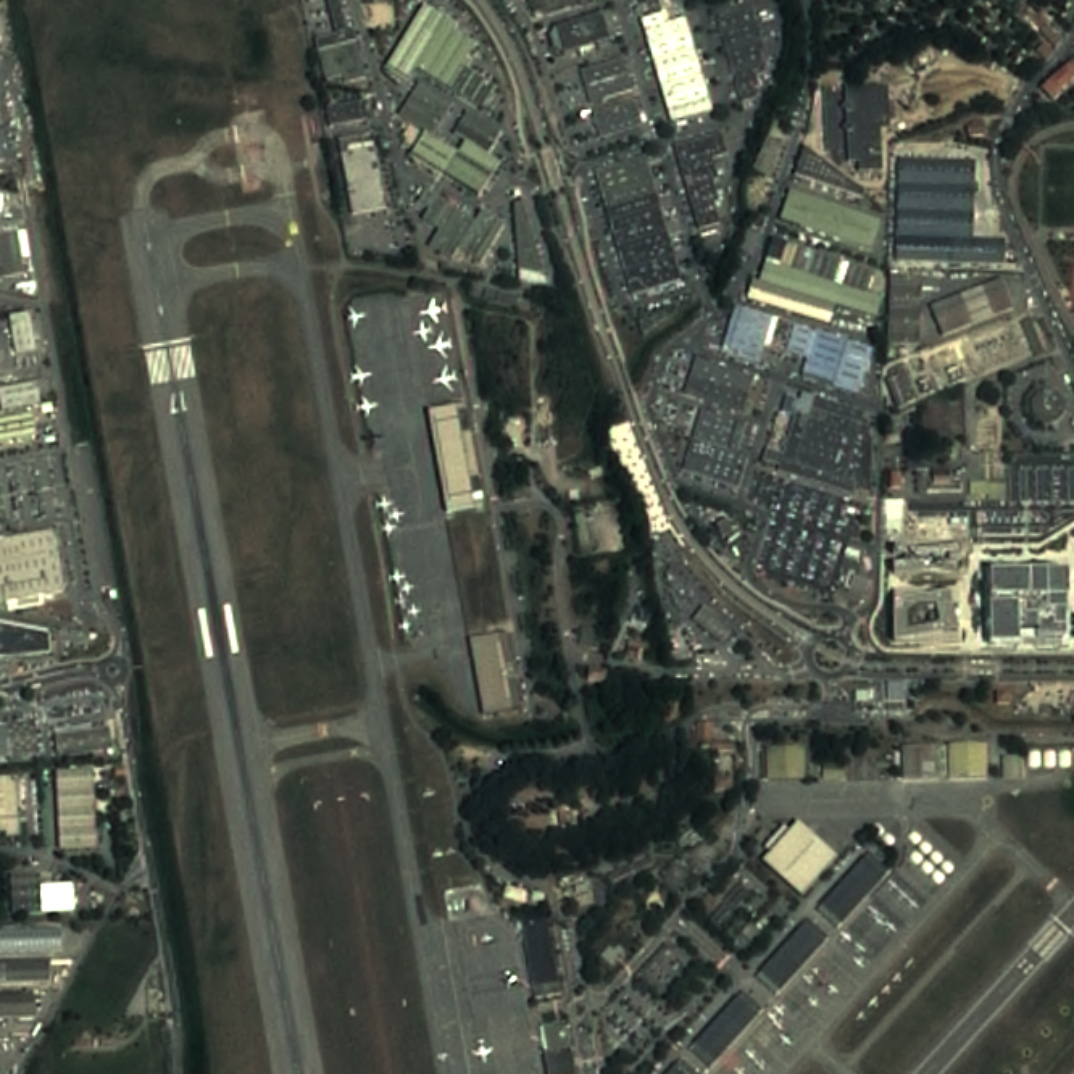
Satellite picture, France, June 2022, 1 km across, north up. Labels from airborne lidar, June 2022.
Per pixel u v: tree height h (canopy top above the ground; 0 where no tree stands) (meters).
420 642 0
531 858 16
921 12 12
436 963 0
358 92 8
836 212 0
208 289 0
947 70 0
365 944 0
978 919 0
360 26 0
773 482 0
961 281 0
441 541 0
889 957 0
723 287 7
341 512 0
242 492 0
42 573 0
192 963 0
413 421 0
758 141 14
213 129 0
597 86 0
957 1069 0
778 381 0
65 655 0
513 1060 0
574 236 0
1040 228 0
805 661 0
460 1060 0
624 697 22
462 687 0
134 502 0
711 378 0
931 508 0
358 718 0
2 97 0
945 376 0
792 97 7
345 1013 0
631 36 0
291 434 0
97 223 0
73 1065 0
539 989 0
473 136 0
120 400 0
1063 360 0
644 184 0
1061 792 0
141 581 0
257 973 0
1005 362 0
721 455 0
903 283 0
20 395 0
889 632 0
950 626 0
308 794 0
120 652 0
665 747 16
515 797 11
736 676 0
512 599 0
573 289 11
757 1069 0
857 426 0
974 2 9
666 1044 12
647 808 10
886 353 8
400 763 0
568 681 6
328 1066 0
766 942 10
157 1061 0
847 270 0
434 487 0
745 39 0
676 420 0
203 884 0
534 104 0
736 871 14
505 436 6
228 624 0
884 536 0
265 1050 0
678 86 0
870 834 17
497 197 0
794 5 8
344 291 0
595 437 14
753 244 0
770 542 0
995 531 0
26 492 0
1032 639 0
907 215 0
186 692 0
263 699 0
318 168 0
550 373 7
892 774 9
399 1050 0
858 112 0
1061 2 9
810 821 0
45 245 0
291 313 0
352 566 0
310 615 0
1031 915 0
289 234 0
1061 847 0
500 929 0
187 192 0
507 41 0
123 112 0
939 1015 0
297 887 0
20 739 0
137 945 0
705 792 7
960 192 0
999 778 11
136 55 0
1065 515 0
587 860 19
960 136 7
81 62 0
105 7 0
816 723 9
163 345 0
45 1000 0
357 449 0
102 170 0
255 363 0
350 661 0
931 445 12
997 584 0
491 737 0
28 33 0
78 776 0
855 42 11
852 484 0
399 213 8
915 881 0
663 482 0
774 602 0
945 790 0
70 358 0
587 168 0
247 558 0
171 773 0
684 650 0
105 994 0
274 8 0
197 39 0
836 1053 0
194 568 0
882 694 0
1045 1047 0
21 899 0
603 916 15
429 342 0
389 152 9
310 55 7
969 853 0
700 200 0
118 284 0
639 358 0
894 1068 0
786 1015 0
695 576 0
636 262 0
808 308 0
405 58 0
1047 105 12
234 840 0
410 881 0
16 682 0
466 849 11
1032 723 0
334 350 0
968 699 16
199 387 0
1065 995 0
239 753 0
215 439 0
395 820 0
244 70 0
